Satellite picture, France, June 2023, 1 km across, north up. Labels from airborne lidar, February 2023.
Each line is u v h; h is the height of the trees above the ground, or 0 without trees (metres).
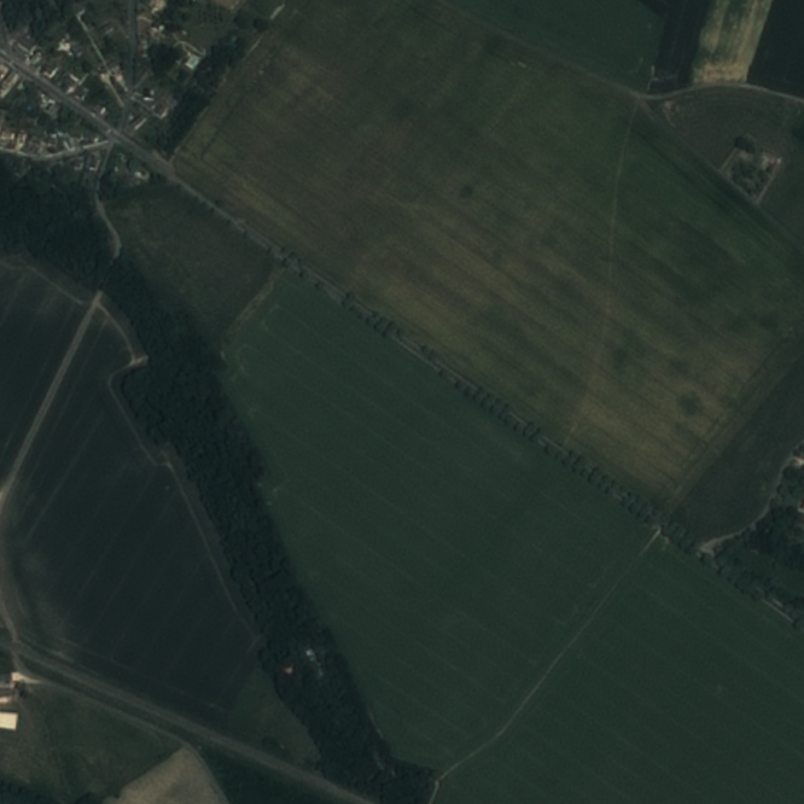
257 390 0
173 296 0
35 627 0
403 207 0
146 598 0
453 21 0
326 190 0
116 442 0
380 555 0
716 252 0
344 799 0
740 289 0
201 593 0
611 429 0
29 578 0
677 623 0
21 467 0
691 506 0
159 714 0
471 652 0
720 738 0
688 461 0
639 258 0
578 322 0
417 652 0
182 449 18
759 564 0
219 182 0
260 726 0
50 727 0
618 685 0
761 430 0
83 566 0
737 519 0
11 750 0
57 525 0
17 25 12
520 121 0
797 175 0
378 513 0
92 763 0
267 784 6
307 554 0
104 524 0
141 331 15
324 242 0
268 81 0
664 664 0
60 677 0
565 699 0
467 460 0
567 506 0
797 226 0
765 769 0
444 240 0
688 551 13
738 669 0
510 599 0
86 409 0
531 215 0
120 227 0
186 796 0
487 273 0
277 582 19
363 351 0
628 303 0
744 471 0
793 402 0
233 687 0
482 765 0
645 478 0
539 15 0
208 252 0
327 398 0
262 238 0
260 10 0
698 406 0
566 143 0
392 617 0
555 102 0
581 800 0
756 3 0
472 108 0
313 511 0
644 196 0
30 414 0
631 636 0
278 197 0
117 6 7
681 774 0
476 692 0
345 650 0
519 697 0
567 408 0
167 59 20
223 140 0
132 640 0
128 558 0
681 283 0
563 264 0
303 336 0
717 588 0
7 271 0
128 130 0
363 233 0
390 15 0
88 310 0
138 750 0
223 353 0
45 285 0
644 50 0
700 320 0
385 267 0
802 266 0
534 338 0
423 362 0
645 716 0
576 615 0
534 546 0
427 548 0
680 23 0
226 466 22
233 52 11
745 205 0
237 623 0
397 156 0
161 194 0
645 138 0
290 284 0
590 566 0
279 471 0
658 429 0
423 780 17
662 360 0
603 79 0
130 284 16
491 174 0
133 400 19
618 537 0
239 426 16
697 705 0
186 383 23
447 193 0
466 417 0
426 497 0
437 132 0
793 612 15
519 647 0
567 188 0
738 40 0
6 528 0
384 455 0
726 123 0
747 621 0
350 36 0
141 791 0
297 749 0
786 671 0
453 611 0
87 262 7
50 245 19
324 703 19
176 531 0
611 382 0
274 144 0
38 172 8
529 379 0
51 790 0
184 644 0
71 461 0
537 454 0
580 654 0
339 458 0
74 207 7
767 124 0
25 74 0
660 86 0
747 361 0
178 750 0
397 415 0
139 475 0
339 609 0
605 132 0
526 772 0
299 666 21
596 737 0
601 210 0
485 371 0
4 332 0
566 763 0
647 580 0
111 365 0
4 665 0
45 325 0
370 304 0
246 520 17
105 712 0
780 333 0
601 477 12
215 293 0
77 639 0
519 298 0
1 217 24
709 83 0
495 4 0
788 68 0
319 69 0
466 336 0
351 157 0
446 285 0
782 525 14
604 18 0
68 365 0
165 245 0
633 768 0
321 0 0
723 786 0
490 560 0
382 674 0
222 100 0
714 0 0
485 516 0
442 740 0
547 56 0
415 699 0
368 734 20
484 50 0
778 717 0
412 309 0
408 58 0
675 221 0
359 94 0
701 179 0
